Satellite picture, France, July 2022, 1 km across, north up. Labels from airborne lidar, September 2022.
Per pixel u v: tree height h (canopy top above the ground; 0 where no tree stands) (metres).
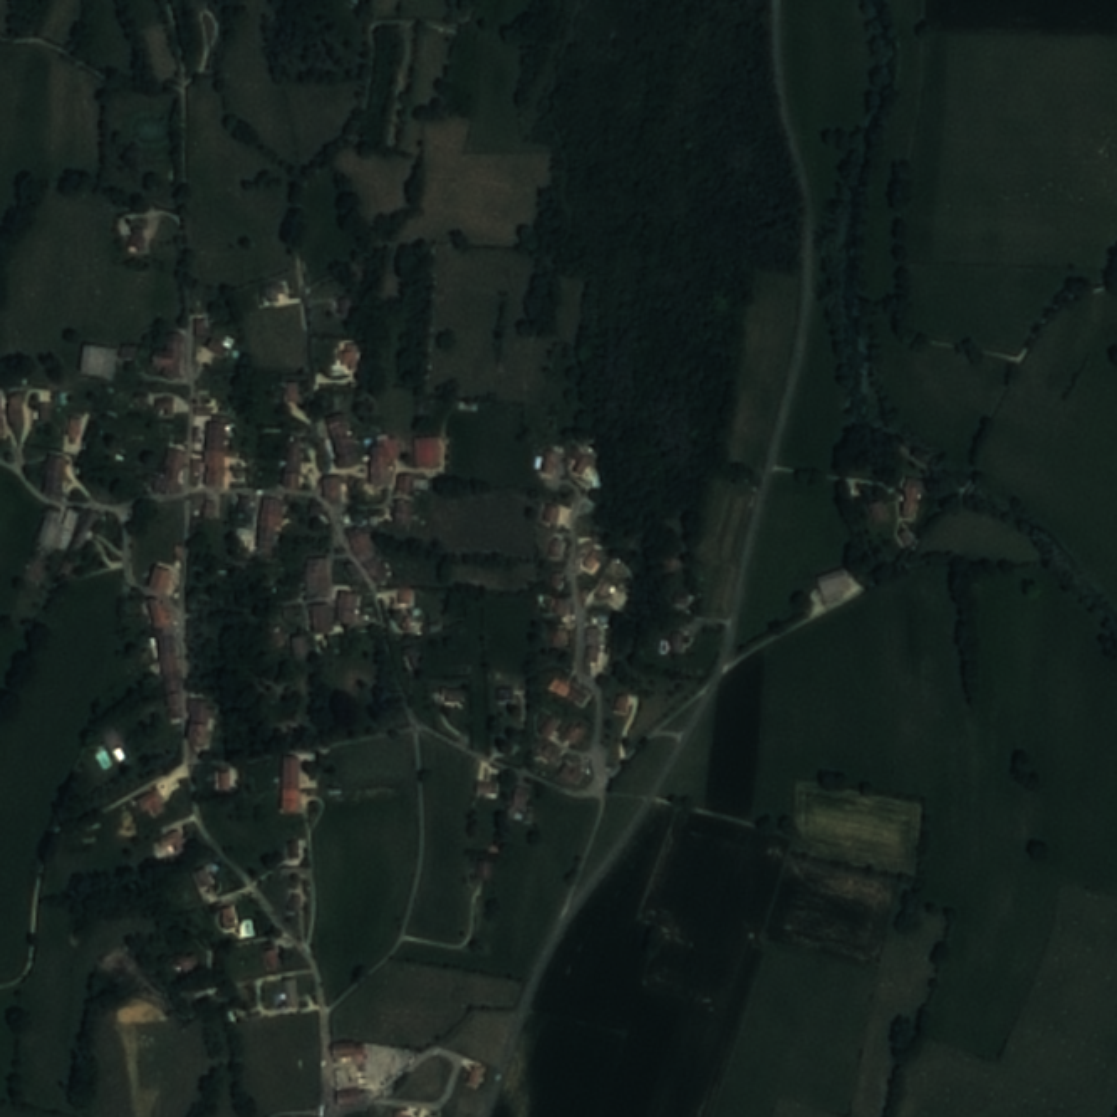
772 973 0
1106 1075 0
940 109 0
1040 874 0
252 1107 15
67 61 7
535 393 0
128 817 0
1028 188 0
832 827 0
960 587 19
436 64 0
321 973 0
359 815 0
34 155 0
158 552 0
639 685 6
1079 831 0
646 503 9
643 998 0
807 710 0
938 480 13
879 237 0
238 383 13
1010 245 0
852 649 0
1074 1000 0
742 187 15
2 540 0
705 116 6
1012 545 0
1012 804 0
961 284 0
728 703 0
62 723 0
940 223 0
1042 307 0
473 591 15
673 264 9
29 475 7
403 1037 0
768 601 0
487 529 0
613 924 0
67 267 0
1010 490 0
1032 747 0
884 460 24
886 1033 0
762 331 0
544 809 0
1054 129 0
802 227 18
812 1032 0
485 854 6
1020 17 0
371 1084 0
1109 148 0
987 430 13
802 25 0
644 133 9
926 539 10
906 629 0
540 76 8
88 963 0
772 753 0
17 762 0
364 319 15
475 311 0
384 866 0
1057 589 0
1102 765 0
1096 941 0
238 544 15
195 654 10
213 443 0
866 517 5
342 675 0
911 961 0
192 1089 0
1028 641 0
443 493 20
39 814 0
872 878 10
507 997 0
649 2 10
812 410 0
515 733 17
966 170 0
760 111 22
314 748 15
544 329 16
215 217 0
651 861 0
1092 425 0
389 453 0
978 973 0
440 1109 0
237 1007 12
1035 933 0
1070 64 0
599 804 0
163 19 6
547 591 9
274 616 10
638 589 20
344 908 0
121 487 13
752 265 22
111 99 14
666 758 0
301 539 6
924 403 0
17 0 16
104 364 0
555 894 0
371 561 0
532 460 0
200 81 12
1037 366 0
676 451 17
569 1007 0
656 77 7
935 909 15
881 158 16
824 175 0
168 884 21
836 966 0
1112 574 0
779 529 0
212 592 10
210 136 0
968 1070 0
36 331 0
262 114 0
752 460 0
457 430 0
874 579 6
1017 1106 0
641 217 10
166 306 0
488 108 0
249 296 0
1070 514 0
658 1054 0
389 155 10
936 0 0
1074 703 0
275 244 0
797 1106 0
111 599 0
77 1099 20
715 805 0
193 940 13
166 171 0
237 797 19
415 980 0
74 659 0
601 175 12
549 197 13
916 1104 0
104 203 0
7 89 0
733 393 18
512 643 0
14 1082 14
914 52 0
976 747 0
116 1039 0
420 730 0
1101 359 0
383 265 8
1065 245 0
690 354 8
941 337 0
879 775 0
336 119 0
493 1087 0
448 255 0
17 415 0
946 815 0
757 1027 0
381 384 16
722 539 0
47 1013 0
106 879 19
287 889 0
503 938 0
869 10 11
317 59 19
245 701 22
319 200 0
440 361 0
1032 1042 0
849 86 0
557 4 14
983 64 0
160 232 0
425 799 0
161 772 16
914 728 0
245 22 15
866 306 16
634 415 8
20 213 19
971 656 18
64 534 0
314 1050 0
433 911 0
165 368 0
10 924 0
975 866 0
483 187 0
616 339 10
